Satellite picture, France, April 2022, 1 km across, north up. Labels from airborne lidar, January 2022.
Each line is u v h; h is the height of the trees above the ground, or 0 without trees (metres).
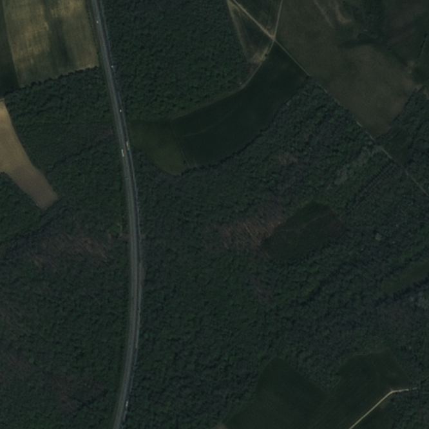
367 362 0
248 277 24
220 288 21
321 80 0
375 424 0
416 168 20
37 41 0
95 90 20
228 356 20
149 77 16
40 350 24
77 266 25
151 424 14
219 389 11
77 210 23
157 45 19
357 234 13
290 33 0
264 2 0
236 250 22
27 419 20
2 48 0
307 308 27
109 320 23
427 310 24
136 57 20
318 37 0
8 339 24
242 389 23
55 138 7
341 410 0
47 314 23
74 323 21
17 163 0
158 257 23
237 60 17
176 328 22
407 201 18
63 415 20
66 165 20
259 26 0
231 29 14
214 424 16
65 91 23
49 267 21
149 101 20
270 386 0
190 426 20
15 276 23
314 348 24
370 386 0
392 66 0
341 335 28
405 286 0
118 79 9
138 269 0
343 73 0
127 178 0
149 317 20
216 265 25
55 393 27
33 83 0
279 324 23
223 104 0
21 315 24
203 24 18
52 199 0
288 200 27
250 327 18
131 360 0
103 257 22
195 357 24
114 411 9
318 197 19
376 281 26
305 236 0
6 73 0
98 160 22
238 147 0
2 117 0
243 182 24
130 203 0
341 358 17
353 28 0
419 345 19
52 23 0
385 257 24
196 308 23
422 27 0
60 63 0
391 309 27
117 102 0
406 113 12
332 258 25
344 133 30
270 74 0
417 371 12
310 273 15
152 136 0
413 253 23
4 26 0
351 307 23
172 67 21
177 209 22
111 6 9
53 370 28
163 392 10
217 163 0
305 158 21
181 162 0
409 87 0
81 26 0
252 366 10
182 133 0
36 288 24
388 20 0
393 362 0
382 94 0
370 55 0
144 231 8
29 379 23
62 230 26
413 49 0
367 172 21
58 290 23
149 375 23
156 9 21
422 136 8
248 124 0
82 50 0
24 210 23
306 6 0
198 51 21
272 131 20
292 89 0
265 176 13
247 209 26
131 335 0
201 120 0
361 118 0
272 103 0
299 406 0
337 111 23
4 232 24
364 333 25
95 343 20
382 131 0
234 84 11
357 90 0
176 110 19
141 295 0
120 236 11
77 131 7
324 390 14
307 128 28
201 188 22
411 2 0
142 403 21
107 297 24
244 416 0
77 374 23
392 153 11
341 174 25
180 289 22
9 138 0
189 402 30
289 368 0
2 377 24
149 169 24
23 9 0
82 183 22
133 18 21
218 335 20
